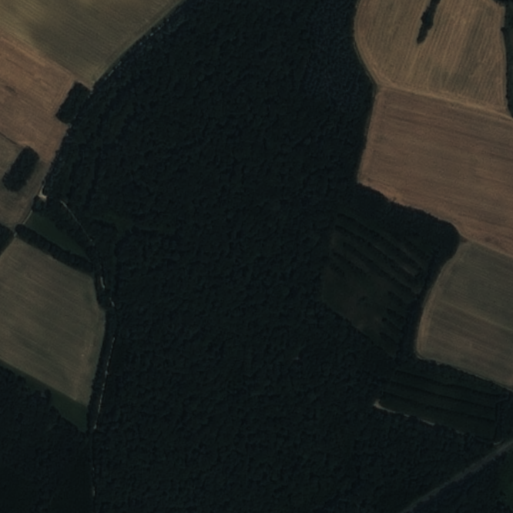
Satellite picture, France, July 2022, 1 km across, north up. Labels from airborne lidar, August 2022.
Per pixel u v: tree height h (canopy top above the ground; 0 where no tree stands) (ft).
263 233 80
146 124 85
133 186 88
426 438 90
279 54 96
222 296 69
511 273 0
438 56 0
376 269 30
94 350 0
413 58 0
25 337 0
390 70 0
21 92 0
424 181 0
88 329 0
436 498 32
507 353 0
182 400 33
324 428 65
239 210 85
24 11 0
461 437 53
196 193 70
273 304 90
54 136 0
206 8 84
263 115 89
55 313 0
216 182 83
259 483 93
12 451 90
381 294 0
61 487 21
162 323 78
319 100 75
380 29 0
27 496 34
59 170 52
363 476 66
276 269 53
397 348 34
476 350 0
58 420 83
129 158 68
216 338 24
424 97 0
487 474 61
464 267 0
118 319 54
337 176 63
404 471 84
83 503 23
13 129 0
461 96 0
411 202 0
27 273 0
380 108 0
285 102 85
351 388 65
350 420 80
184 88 73
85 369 0
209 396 60
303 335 56
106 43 0
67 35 0
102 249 63
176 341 80
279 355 87
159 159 44
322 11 112
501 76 0
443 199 0
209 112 73
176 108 76
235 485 82
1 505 51
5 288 0
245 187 79
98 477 75
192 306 75
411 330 74
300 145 90
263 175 69
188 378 69
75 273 0
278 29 91
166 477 59
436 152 0
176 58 95
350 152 69
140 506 58
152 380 58
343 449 35
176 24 61
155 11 0
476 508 89
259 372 85
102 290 39
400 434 68
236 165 93
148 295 68
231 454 71
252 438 67
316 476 72
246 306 80
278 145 60
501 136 0
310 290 48
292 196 71
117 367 23
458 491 60
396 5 0
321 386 82
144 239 61
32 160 63
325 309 71
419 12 0
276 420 87
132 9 0
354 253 27
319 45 96
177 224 65
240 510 101
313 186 91
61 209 59
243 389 38
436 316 0
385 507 31
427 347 0
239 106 90
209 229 73
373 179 0
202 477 71
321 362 82
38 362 0
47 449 72
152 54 79
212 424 70
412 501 38
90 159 68
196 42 83
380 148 0
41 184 0
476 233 0
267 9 85
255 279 79
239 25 77
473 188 0
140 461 71
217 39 95
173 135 76
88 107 51
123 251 75
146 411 38
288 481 78
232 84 51
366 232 38
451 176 0
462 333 0
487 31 0
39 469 76
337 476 62
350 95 101
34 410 91
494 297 0
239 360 62
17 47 0
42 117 0
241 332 71
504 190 0
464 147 0
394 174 0
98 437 34
